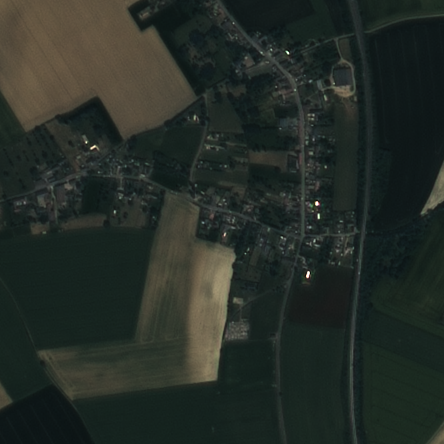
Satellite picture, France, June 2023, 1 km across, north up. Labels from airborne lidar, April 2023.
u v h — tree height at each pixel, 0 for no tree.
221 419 0
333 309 0
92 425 0
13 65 0
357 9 0
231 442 0
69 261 0
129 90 0
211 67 20
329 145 7
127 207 0
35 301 0
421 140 0
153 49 0
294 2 0
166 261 0
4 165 0
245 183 0
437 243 0
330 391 0
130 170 10
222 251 0
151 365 0
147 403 0
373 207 11
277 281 0
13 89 0
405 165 0
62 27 0
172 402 0
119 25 0
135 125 0
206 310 0
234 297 0
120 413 0
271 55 0
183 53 23
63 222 0
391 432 0
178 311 0
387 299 0
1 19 0
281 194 0
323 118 6
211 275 0
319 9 0
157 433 0
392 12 0
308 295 0
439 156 0
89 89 0
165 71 0
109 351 0
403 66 0
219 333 0
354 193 0
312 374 0
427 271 0
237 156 0
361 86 8
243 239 13
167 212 0
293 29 0
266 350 0
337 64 0
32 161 0
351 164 0
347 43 0
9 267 0
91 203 0
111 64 0
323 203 0
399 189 0
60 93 0
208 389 0
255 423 0
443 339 0
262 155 0
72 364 0
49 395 0
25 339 0
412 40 0
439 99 0
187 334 0
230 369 0
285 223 8
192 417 0
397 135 0
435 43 0
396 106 0
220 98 17
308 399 0
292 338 0
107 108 0
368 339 0
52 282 0
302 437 0
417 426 0
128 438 0
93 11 0
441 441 0
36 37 0
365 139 6
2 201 0
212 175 0
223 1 0
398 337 0
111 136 16
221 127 0
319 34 0
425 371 0
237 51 11
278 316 0
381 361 0
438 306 0
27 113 0
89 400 0
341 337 0
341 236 0
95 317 0
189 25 0
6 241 0
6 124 0
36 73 0
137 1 0
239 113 20
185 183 0
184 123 11
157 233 0
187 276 0
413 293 0
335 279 0
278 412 0
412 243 19
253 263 0
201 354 0
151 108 0
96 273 0
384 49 0
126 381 0
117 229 0
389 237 13
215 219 6
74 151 0
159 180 0
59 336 0
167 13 0
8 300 0
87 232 0
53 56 0
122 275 0
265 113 0
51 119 0
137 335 0
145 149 0
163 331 0
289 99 0
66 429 0
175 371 0
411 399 0
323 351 0
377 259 9
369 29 0
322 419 0
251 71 0
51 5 0
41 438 0
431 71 0
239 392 0
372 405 0
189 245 0
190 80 0
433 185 0
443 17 0
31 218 10
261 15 0
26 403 0
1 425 0
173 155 0
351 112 0
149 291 0
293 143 6
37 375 0
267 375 0
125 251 0
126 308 0
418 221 12
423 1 0
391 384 0
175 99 0
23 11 0
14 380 0
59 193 0
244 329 0
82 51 0
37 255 0
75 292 0
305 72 5
